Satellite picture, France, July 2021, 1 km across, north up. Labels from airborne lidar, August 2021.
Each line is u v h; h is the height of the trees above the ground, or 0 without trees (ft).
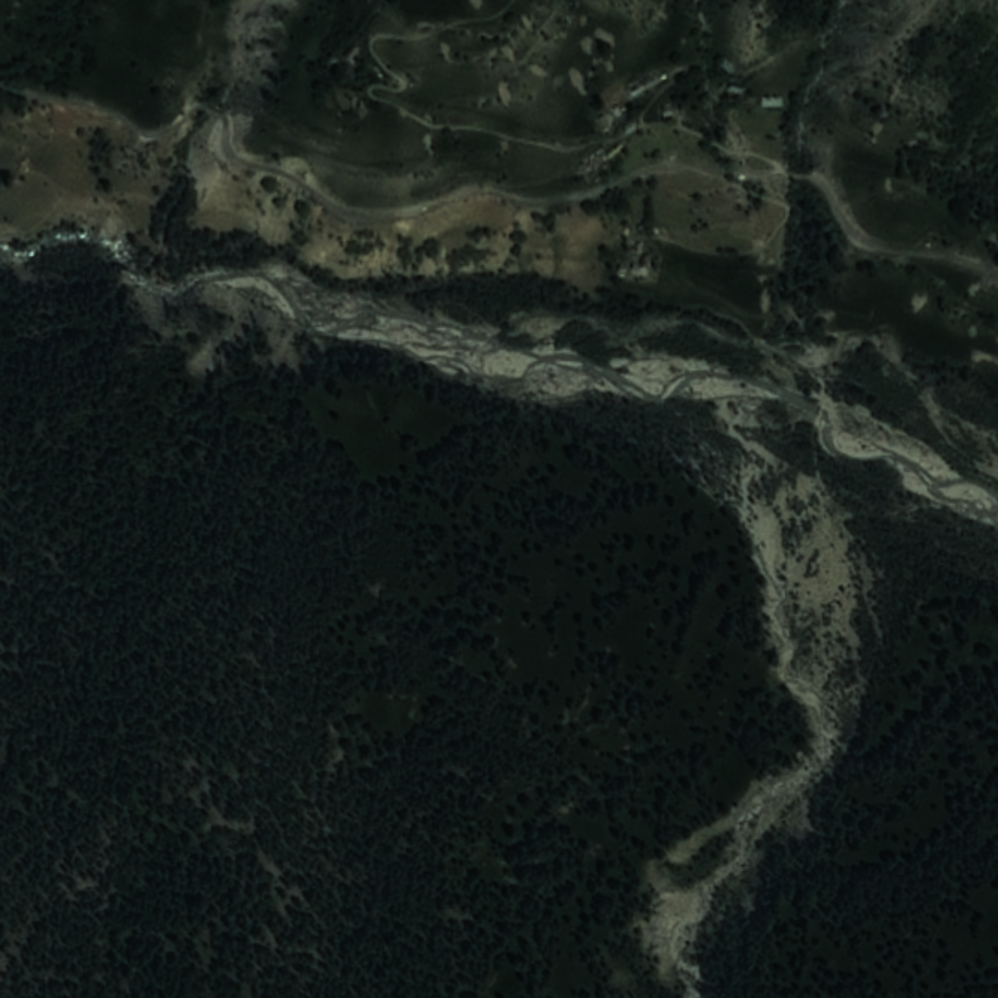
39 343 29
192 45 0
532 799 51
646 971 21
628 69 0
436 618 62
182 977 53
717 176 0
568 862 37
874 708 47
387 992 58
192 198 42
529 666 0
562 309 41
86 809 30
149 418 24
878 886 76
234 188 0
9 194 0
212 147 0
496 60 25
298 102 0
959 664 0
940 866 68
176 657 68
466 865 26
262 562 80
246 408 38
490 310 28
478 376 0
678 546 38
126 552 28
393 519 23
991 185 38
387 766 55
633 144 0
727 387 0
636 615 0
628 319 28
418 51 0
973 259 0
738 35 0
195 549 21
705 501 0
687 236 0
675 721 0
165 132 0
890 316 0
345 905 31
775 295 27
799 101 38
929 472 0
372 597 24
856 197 0
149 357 18
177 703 47
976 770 37
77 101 0
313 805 66
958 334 0
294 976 54
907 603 35
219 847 44
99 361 70
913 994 54
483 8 0
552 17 0
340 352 35
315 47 0
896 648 46
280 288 0
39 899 73
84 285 29
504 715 23
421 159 0
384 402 0
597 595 22
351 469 66
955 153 18
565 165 0
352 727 56
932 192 37
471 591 58
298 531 25
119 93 0
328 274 24
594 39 0
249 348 41
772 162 0
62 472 35
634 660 0
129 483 34
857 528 24
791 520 18
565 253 0
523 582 40
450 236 0
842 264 32
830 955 0
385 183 0
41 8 22
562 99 0
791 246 32
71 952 59
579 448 59
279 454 27
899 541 21
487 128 0
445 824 39
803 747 63
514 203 0
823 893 70
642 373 0
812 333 34
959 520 19
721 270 0
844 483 21
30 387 68
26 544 79
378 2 0
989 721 21
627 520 0
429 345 0
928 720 43
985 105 26
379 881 65
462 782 68
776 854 45
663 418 24
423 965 52
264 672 29
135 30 0
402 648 48
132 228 0
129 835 25
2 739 37
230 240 36
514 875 20
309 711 64
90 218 0
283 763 59
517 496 42
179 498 60
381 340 0
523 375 0
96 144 31
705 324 26
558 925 64
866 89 0
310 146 0
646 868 0
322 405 0
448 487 50
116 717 70
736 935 46
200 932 36
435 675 28
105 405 27
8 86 35
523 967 58
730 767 0
